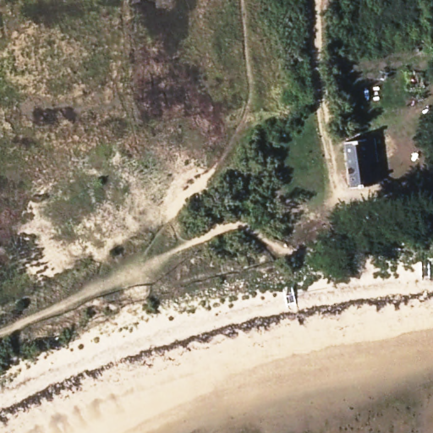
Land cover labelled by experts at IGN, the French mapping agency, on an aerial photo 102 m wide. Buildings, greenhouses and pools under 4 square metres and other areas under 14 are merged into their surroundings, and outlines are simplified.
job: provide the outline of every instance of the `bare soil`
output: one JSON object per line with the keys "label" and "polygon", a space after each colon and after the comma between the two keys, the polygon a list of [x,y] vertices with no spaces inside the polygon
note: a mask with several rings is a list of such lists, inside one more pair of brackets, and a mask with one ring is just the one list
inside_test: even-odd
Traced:
{"label": "bare soil", "polygon": [[91,167],[88,157],[74,156],[74,151],[95,149],[98,137],[90,134],[85,137],[73,135],[68,139],[56,139],[54,134],[47,137],[46,132],[37,132],[36,139],[14,137],[15,145],[37,147],[42,144],[44,147],[69,151],[73,157],[68,159],[68,176],[73,176],[74,169],[79,169],[81,173],[100,176],[98,169]]}
{"label": "bare soil", "polygon": [[181,41],[188,37],[189,14],[195,10],[198,0],[139,0],[132,8],[139,8],[140,15],[144,17],[142,25],[149,32],[152,41],[162,44],[169,54],[178,51]]}
{"label": "bare soil", "polygon": [[20,24],[22,32],[12,32],[8,46],[0,51],[0,59],[3,59],[3,69],[8,81],[17,83],[20,95],[27,95],[27,100],[22,101],[22,125],[25,127],[32,127],[32,123],[56,125],[59,122],[66,129],[71,129],[76,120],[76,113],[85,117],[90,110],[103,113],[105,118],[127,117],[127,113],[122,112],[117,95],[112,95],[112,88],[113,83],[122,83],[122,76],[130,76],[132,69],[122,71],[122,61],[113,61],[110,64],[112,78],[105,86],[105,91],[83,96],[81,93],[85,85],[74,85],[73,91],[51,95],[47,91],[47,79],[58,79],[63,74],[71,73],[71,69],[63,66],[64,59],[69,58],[73,64],[79,66],[83,59],[88,58],[85,47],[74,41],[74,32],[63,34],[56,27],[51,29],[44,24],[34,24],[32,20],[27,20]]}
{"label": "bare soil", "polygon": [[[372,257],[365,260],[360,277],[352,277],[348,282],[328,282],[326,279],[313,282],[306,291],[260,291],[254,298],[247,293],[244,281],[225,282],[223,289],[198,289],[193,296],[186,294],[174,301],[164,301],[159,306],[157,315],[145,313],[144,304],[147,303],[147,296],[125,296],[122,288],[101,291],[54,315],[32,321],[7,337],[12,343],[15,357],[12,357],[12,367],[0,374],[0,433],[433,433],[433,279],[430,266],[414,264],[413,271],[406,271],[403,262],[397,262],[399,277],[374,277],[375,266]],[[76,328],[78,337],[66,347],[42,352],[37,362],[17,357],[20,354],[20,340],[58,338],[64,328],[71,325]]]}
{"label": "bare soil", "polygon": [[96,260],[107,259],[115,245],[125,242],[140,228],[154,228],[162,223],[166,227],[167,235],[171,237],[181,232],[181,225],[176,218],[178,211],[186,205],[186,200],[196,193],[201,193],[208,184],[208,179],[216,171],[206,167],[205,151],[179,151],[179,147],[167,145],[167,142],[151,145],[152,154],[156,154],[161,161],[161,164],[152,169],[154,173],[151,174],[149,169],[140,166],[134,157],[130,159],[120,156],[120,149],[113,145],[113,174],[120,176],[120,186],[127,186],[130,183],[130,193],[125,196],[125,203],[120,210],[112,203],[101,203],[93,215],[86,216],[83,222],[74,227],[76,238],[73,244],[63,240],[52,240],[54,225],[51,220],[42,216],[46,201],[30,201],[27,208],[22,211],[32,213],[34,220],[20,225],[19,233],[25,233],[24,240],[30,240],[32,235],[37,235],[37,244],[30,250],[30,260],[20,259],[19,267],[29,272],[30,279],[34,282],[73,267],[74,260],[79,257],[93,255],[93,259]]}

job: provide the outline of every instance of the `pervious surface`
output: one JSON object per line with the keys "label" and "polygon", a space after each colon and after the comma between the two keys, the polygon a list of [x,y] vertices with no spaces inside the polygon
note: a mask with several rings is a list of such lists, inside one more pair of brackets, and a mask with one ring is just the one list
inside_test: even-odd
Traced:
{"label": "pervious surface", "polygon": [[321,12],[328,7],[328,0],[306,0],[304,17],[308,22],[308,37],[299,52],[301,56],[310,59],[313,85],[313,103],[310,110],[313,113],[316,112],[318,118],[318,132],[330,179],[330,191],[326,196],[325,205],[333,210],[337,203],[367,200],[379,189],[392,188],[397,184],[403,184],[404,181],[404,174],[413,169],[414,164],[418,164],[419,167],[425,166],[425,159],[418,156],[414,140],[394,140],[387,137],[386,140],[387,166],[391,173],[377,184],[352,186],[348,167],[350,162],[357,159],[357,140],[342,140],[333,144],[332,135],[328,132],[330,110],[328,103],[321,101],[323,81],[316,71],[316,66],[318,61],[325,59],[328,52],[323,44],[325,27]]}
{"label": "pervious surface", "polygon": [[257,36],[249,30],[247,0],[240,0],[245,71],[249,83],[254,83],[254,68],[249,46]]}
{"label": "pervious surface", "polygon": [[267,247],[271,247],[276,254],[286,255],[293,254],[294,250],[288,245],[272,240],[260,230],[255,230],[254,233]]}
{"label": "pervious surface", "polygon": [[61,303],[37,311],[34,315],[22,316],[14,323],[0,328],[0,338],[7,337],[32,321],[54,315],[101,291],[122,288],[125,296],[147,296],[147,282],[151,279],[152,272],[174,255],[181,254],[183,250],[208,242],[222,233],[237,230],[238,227],[235,222],[220,223],[211,228],[210,232],[188,240],[164,254],[152,257],[144,264],[130,264],[107,279],[91,282],[90,286],[86,286]]}

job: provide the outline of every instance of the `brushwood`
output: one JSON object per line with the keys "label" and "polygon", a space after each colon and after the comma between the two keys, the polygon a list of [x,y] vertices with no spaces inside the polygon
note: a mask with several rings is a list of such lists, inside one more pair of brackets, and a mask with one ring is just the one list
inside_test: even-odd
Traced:
{"label": "brushwood", "polygon": [[12,343],[7,337],[0,338],[0,374],[12,367],[12,357],[15,357]]}
{"label": "brushwood", "polygon": [[20,340],[20,354],[17,357],[37,362],[42,352],[66,347],[78,337],[76,328],[71,325],[64,328],[58,338]]}
{"label": "brushwood", "polygon": [[430,112],[419,117],[414,140],[418,156],[425,159],[425,166],[433,167],[433,105]]}
{"label": "brushwood", "polygon": [[299,271],[304,264],[306,255],[303,245],[294,250],[293,254],[286,255],[289,271]]}
{"label": "brushwood", "polygon": [[223,259],[237,257],[235,252],[228,252],[225,249],[225,237],[222,233],[208,242]]}
{"label": "brushwood", "polygon": [[260,0],[260,15],[267,20],[269,29],[276,30],[277,37],[284,46],[284,54],[288,61],[282,68],[288,71],[291,79],[288,90],[282,91],[282,103],[289,105],[291,113],[284,118],[267,118],[266,122],[260,123],[260,127],[266,132],[267,142],[272,147],[291,151],[296,147],[291,134],[301,134],[304,120],[308,120],[313,113],[310,110],[313,103],[313,85],[310,59],[301,56],[299,52],[308,37],[308,22],[304,17],[306,0]]}
{"label": "brushwood", "polygon": [[318,61],[316,66],[316,71],[323,81],[321,101],[328,103],[330,110],[328,132],[332,135],[333,144],[342,140],[357,140],[360,135],[369,134],[370,130],[370,122],[381,115],[382,110],[372,100],[372,79],[362,81],[359,71],[354,71],[355,64],[359,61],[379,61],[392,52],[423,51],[423,37],[428,34],[433,42],[433,0],[328,0],[328,7],[321,12],[325,27],[323,44],[328,52],[325,59]]}
{"label": "brushwood", "polygon": [[255,245],[257,254],[262,255],[267,247],[254,233],[245,227],[238,227],[237,230],[238,242],[250,242]]}

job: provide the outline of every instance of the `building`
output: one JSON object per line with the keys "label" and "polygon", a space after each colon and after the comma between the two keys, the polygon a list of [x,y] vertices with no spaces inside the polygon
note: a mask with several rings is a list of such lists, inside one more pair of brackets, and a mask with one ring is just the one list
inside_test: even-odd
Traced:
{"label": "building", "polygon": [[377,184],[391,173],[387,166],[386,140],[386,132],[382,127],[370,130],[369,134],[360,135],[357,140],[357,159],[350,162],[348,167],[352,186]]}

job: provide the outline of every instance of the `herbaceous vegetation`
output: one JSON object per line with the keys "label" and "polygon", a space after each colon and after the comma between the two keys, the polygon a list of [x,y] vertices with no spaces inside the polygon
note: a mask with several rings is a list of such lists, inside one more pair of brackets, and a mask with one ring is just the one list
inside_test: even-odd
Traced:
{"label": "herbaceous vegetation", "polygon": [[[122,112],[127,113],[127,117],[105,118],[103,113],[90,110],[85,117],[76,113],[76,120],[71,129],[66,129],[59,122],[56,125],[32,123],[32,127],[25,127],[22,125],[22,101],[27,100],[27,95],[20,95],[17,83],[8,81],[3,69],[3,59],[0,59],[0,328],[14,323],[22,316],[34,315],[37,311],[61,303],[86,286],[90,286],[91,282],[107,279],[130,264],[144,264],[152,257],[164,254],[188,240],[181,232],[171,237],[167,235],[166,227],[162,223],[154,228],[140,228],[125,242],[115,245],[107,259],[96,260],[93,259],[93,255],[79,257],[74,260],[73,267],[34,282],[30,279],[29,272],[19,267],[20,259],[30,260],[30,250],[37,244],[37,235],[32,235],[30,240],[24,240],[25,233],[19,233],[20,225],[34,220],[32,213],[22,211],[27,208],[30,201],[46,201],[42,216],[51,220],[54,225],[52,240],[63,240],[73,244],[76,238],[74,227],[83,222],[86,216],[93,215],[101,203],[112,203],[120,210],[125,203],[125,196],[130,193],[130,183],[127,186],[120,186],[120,176],[113,174],[113,145],[120,149],[120,156],[130,159],[134,157],[140,166],[149,169],[151,174],[154,173],[152,169],[161,164],[161,161],[156,154],[152,154],[151,145],[167,142],[167,145],[179,147],[179,151],[205,151],[206,167],[216,171],[208,179],[208,184],[215,188],[220,183],[220,174],[232,169],[244,174],[259,173],[260,164],[240,161],[242,151],[250,144],[250,140],[257,139],[255,151],[262,152],[264,157],[276,157],[279,161],[276,169],[277,179],[288,184],[293,178],[299,188],[310,189],[316,195],[303,205],[293,208],[291,213],[303,211],[303,216],[294,223],[293,233],[288,237],[272,232],[271,228],[262,227],[260,230],[272,240],[288,245],[294,250],[303,245],[306,255],[313,255],[311,244],[318,244],[318,235],[330,228],[330,215],[333,210],[325,205],[326,196],[330,191],[330,179],[318,132],[318,118],[316,112],[313,113],[308,120],[304,120],[301,134],[291,134],[296,147],[291,151],[272,147],[267,142],[266,132],[260,127],[260,123],[266,122],[267,118],[284,118],[291,113],[289,105],[282,103],[282,91],[288,90],[291,79],[288,71],[282,68],[288,61],[284,54],[284,46],[277,37],[276,30],[269,29],[267,20],[260,15],[260,0],[247,0],[249,30],[257,36],[249,46],[254,68],[254,83],[249,83],[245,71],[240,0],[198,0],[195,10],[189,14],[188,37],[181,41],[178,51],[169,54],[162,44],[152,41],[149,32],[142,25],[144,17],[140,15],[139,8],[132,8],[139,0],[0,0],[0,51],[8,46],[12,32],[22,32],[20,24],[27,20],[32,20],[34,24],[44,24],[51,29],[56,27],[63,34],[74,32],[74,41],[85,47],[88,58],[83,59],[79,66],[73,64],[69,58],[64,59],[63,66],[71,69],[71,73],[63,74],[58,79],[47,79],[47,91],[51,95],[73,91],[74,85],[85,85],[81,93],[83,96],[105,91],[105,86],[112,78],[110,64],[113,61],[122,61],[122,71],[132,69],[130,76],[122,76],[122,83],[113,83],[112,88],[112,95],[117,95]],[[74,156],[88,157],[91,167],[98,169],[100,176],[81,173],[79,169],[74,169],[73,176],[68,176],[68,159],[73,157],[69,151],[44,147],[42,144],[37,147],[15,145],[14,137],[36,139],[37,132],[46,132],[47,137],[54,134],[56,139],[68,139],[73,135],[85,137],[90,134],[98,137],[95,149],[74,151]]]}
{"label": "herbaceous vegetation", "polygon": [[359,61],[355,64],[354,71],[359,71],[362,81],[372,79],[372,100],[382,110],[381,115],[370,122],[370,130],[382,127],[386,132],[386,140],[387,137],[394,140],[414,140],[419,117],[430,112],[433,105],[433,42],[428,34],[423,37],[423,51],[392,52],[379,61]]}
{"label": "herbaceous vegetation", "polygon": [[404,174],[404,181],[428,184],[430,188],[426,193],[433,200],[433,167],[425,166],[419,167],[418,164],[414,164],[413,169]]}
{"label": "herbaceous vegetation", "polygon": [[372,257],[375,266],[374,277],[399,277],[397,262],[403,262],[406,271],[413,271],[414,264],[430,266],[433,279],[433,244],[403,238],[396,240],[391,249]]}
{"label": "herbaceous vegetation", "polygon": [[147,282],[147,296],[147,303],[144,304],[145,313],[157,315],[159,306],[164,301],[174,301],[186,294],[193,296],[198,289],[223,289],[225,282],[244,281],[247,293],[254,298],[260,291],[306,291],[313,282],[326,279],[325,272],[315,271],[313,267],[304,264],[299,271],[289,271],[286,255],[276,254],[271,247],[267,247],[262,255],[257,254],[255,245],[250,242],[238,242],[237,230],[222,233],[225,237],[225,249],[228,252],[235,252],[237,257],[223,259],[208,242],[183,250],[181,254],[174,255],[152,272],[151,279]]}

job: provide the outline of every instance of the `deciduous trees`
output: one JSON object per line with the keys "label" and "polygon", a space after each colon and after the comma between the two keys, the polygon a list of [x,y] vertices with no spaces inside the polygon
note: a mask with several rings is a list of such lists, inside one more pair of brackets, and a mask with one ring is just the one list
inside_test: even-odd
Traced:
{"label": "deciduous trees", "polygon": [[201,193],[196,193],[186,200],[186,205],[178,211],[176,218],[181,225],[181,232],[188,240],[210,232],[211,228],[220,223],[235,222],[238,227],[245,227],[254,233],[255,230],[260,230],[262,227],[271,228],[272,232],[288,237],[293,233],[294,223],[303,216],[303,211],[291,213],[293,208],[303,205],[316,195],[310,189],[299,188],[293,178],[288,184],[277,179],[276,169],[279,161],[276,157],[264,157],[262,152],[255,151],[257,139],[250,140],[250,144],[242,151],[240,161],[260,164],[259,173],[244,174],[232,169],[220,174],[220,183],[215,188],[208,184]]}
{"label": "deciduous trees", "polygon": [[397,184],[392,188],[379,189],[367,200],[337,203],[333,210],[330,215],[330,228],[318,235],[318,244],[311,244],[313,255],[306,255],[304,264],[313,267],[315,271],[325,272],[326,279],[328,282],[348,282],[352,277],[360,277],[365,260],[372,257],[391,249],[396,240],[403,238],[433,244],[433,200],[426,193],[430,188],[428,184],[404,181],[403,184]]}

